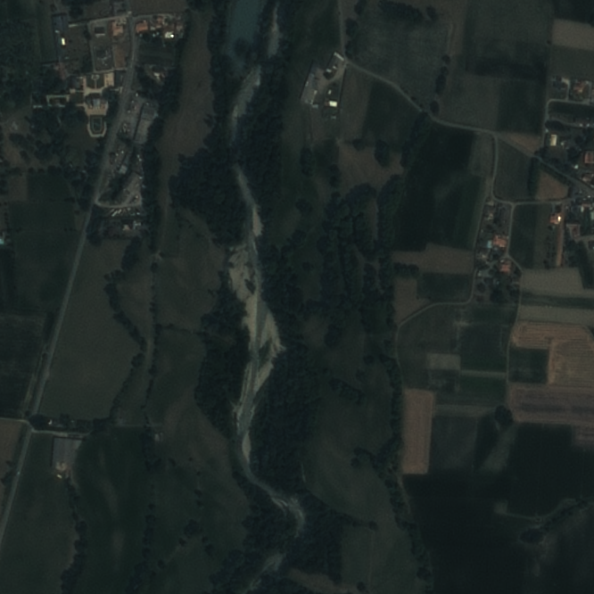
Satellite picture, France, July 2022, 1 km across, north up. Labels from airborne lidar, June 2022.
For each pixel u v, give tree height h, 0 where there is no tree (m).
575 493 0
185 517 0
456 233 0
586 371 0
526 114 0
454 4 0
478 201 0
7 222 7
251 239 0
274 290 25
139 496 0
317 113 0
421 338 0
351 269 29
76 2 21
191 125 0
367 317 18
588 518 0
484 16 0
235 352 9
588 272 0
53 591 0
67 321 0
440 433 0
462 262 0
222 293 11
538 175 16
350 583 0
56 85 13
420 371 0
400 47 0
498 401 0
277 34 0
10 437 0
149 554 19
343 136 0
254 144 28
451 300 0
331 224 11
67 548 0
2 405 0
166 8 0
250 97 0
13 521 0
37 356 0
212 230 12
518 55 0
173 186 20
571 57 0
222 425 15
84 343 0
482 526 0
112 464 0
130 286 0
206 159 24
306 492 20
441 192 0
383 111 0
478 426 0
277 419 24
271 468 28
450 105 0
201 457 0
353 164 0
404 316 0
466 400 0
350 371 0
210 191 27
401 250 0
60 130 22
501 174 0
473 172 0
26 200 0
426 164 0
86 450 0
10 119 0
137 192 0
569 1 0
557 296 0
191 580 0
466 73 0
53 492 0
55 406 0
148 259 0
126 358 0
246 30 0
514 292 9
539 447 0
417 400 0
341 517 12
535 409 0
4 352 0
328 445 0
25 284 0
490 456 0
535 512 0
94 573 0
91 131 0
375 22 0
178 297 0
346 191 0
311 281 0
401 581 0
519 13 0
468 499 0
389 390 0
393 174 0
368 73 0
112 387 0
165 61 0
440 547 0
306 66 0
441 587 0
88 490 0
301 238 20
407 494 0
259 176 28
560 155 0
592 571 0
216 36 21
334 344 18
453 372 0
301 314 24
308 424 21
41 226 0
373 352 0
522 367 0
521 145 0
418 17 26
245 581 29
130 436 0
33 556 0
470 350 0
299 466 23
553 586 0
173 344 0
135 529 0
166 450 0
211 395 14
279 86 21
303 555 25
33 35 20
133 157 12
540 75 0
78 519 12
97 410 0
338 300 28
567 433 0
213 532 0
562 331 0
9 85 13
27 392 0
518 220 0
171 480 0
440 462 0
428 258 0
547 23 0
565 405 0
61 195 0
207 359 6
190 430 0
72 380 0
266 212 11
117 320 14
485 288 10
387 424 0
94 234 18
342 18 0
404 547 0
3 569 0
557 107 0
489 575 0
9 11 0
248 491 17
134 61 0
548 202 0
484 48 0
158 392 0
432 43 0
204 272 0
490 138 0
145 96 11
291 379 27
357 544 0
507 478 0
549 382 0
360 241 26
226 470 0
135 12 0
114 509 0
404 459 0
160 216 23
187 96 0
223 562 0
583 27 0
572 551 0
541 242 0
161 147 0
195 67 0
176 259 0
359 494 0
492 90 0
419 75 0
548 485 0
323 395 16
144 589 21
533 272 0
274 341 0
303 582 0
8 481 12
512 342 0
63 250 0
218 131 9
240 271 0
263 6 0
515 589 0
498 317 0
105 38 0
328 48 0
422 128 23
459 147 0
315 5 0
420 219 0
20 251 0
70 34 0
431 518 0
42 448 0
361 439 0
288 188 0
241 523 0
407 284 0
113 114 17
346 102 0
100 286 0
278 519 26
